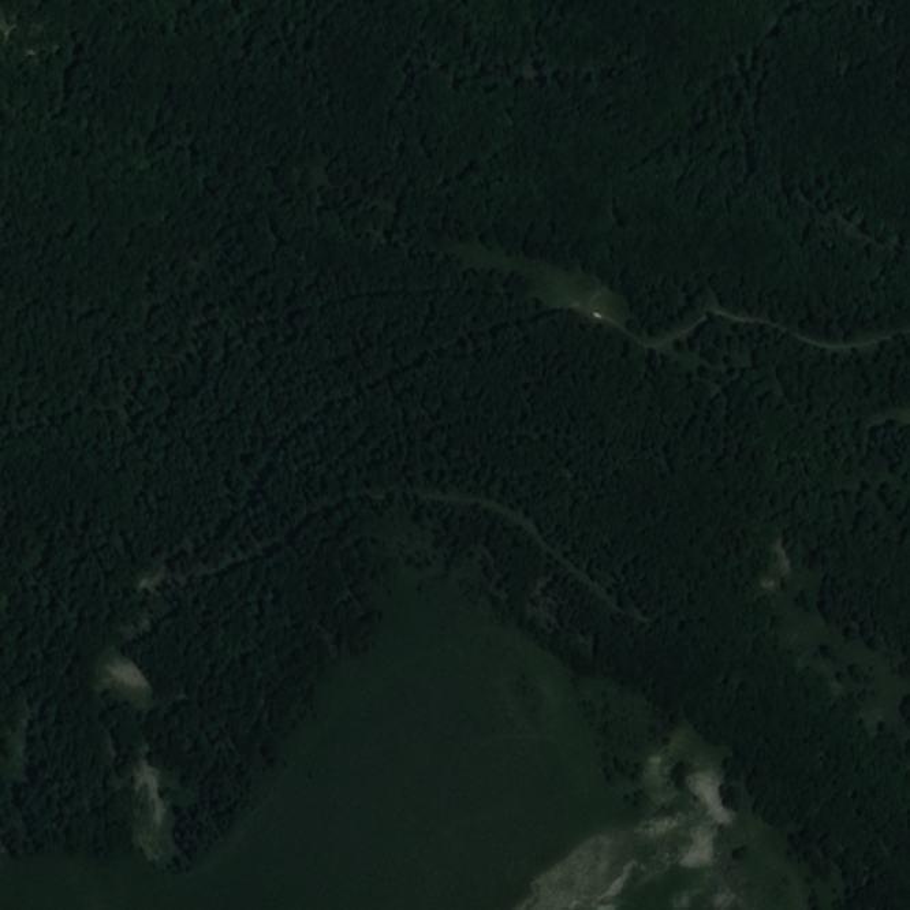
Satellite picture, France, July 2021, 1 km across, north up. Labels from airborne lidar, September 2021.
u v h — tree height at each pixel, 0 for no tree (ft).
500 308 80
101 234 82
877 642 58
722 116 107
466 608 0
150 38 81
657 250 79
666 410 76
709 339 73
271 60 126
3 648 80
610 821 0
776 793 54
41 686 67
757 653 73
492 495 58
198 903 0
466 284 85
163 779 0
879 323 71
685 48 108
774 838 0
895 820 66
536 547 74
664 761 0
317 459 94
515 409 73
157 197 100
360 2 93
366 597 60
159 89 84
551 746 0
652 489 80
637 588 65
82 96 95
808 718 60
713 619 77
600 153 92
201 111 81
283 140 60
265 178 94
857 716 39
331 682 0
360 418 65
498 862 0
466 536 54
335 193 36
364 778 0
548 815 0
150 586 0
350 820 0
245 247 76
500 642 0
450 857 0
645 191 109
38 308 71
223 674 52
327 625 61
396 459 73
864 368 85
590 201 83
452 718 0
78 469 78
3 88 86
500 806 0
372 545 46
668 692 67
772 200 108
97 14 83
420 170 67
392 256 99
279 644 64
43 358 80
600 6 102
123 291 65
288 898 0
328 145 70
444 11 123
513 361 78
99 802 46
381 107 97
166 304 67
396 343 85
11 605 32
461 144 97
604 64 94
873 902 74
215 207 80
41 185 82
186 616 79
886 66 121
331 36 116
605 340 69
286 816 0
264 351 67
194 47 113
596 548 70
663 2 99
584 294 0
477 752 0
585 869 0
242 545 60
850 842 55
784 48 112
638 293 66
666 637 82
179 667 79
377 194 56
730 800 58
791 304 77
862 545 92
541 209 92
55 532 85
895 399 83
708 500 76
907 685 0
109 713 56
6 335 78
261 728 54
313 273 84
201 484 82
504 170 97
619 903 0
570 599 75
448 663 0
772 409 81
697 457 70
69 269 76
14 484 81
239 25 103
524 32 112
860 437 87
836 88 108
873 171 106
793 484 94
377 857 0
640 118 108
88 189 63
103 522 78
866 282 86
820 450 94
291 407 79
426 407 78
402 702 0
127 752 64
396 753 0
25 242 64
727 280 66
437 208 83
